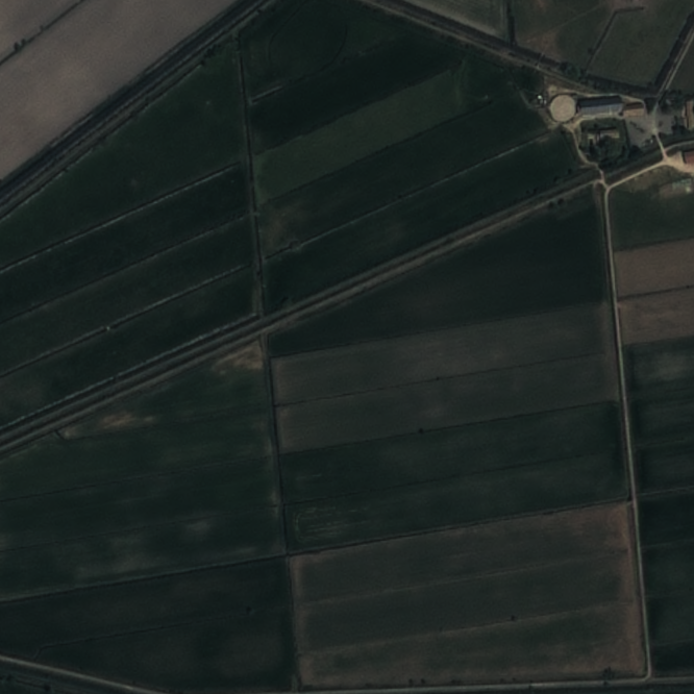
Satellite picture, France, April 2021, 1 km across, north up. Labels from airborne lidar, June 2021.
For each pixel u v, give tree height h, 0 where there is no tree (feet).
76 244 0
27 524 0
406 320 0
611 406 0
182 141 0
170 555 0
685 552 0
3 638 0
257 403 0
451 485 0
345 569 0
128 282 0
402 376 0
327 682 0
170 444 0
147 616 0
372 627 0
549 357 0
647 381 0
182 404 0
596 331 0
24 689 0
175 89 0
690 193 0
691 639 0
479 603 0
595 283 0
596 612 0
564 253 0
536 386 0
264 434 0
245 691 0
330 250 0
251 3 19
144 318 0
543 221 0
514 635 0
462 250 0
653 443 0
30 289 0
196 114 0
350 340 0
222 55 28
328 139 0
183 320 0
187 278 0
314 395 0
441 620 0
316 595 0
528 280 0
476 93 0
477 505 0
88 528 0
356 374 0
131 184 0
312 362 0
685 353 0
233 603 0
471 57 0
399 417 0
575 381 0
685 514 0
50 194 0
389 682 0
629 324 0
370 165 0
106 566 0
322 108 0
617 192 0
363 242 0
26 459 0
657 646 0
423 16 21
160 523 0
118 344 0
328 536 0
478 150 0
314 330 0
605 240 0
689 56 0
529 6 0
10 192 27
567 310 0
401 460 0
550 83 0
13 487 0
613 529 0
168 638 0
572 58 0
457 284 0
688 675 0
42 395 0
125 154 0
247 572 0
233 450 0
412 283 0
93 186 0
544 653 0
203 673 0
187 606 0
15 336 0
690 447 0
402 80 0
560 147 0
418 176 0
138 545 0
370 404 0
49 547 0
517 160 0
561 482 0
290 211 0
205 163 0
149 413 0
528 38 0
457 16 0
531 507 0
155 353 0
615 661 0
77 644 0
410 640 0
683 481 0
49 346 0
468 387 0
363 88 0
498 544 0
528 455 0
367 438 0
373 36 0
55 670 0
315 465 0
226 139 0
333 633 0
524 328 0
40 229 0
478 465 0
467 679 0
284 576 0
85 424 0
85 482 0
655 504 0
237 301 0
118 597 0
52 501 0
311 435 0
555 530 0
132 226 0
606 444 0
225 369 0
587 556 0
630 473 0
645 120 0
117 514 0
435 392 0
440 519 0
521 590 0
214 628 0
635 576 0
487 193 0
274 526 0
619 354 0
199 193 0
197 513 0
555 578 0
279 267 0
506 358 0
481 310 0
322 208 0
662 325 0
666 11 0
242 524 0
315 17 0
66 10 0
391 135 0
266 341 0
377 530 0
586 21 0
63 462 0
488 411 0
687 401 0
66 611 0
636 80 0
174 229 0
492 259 0
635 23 0
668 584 0
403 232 0
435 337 0
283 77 0
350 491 0
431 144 0
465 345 0
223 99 0
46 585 0
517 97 0
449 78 0
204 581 0
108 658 0
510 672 0
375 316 0
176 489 0
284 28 0
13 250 0
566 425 0
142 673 0
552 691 0
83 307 0
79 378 0
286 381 0
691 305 0
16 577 0
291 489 0
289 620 0
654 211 0
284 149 0
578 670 0
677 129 43
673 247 0
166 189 0
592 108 0
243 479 0
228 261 0
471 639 0
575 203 0
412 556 0
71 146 24
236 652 0
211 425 0
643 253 0
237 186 0
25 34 0
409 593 0
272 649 0
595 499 0
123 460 0
